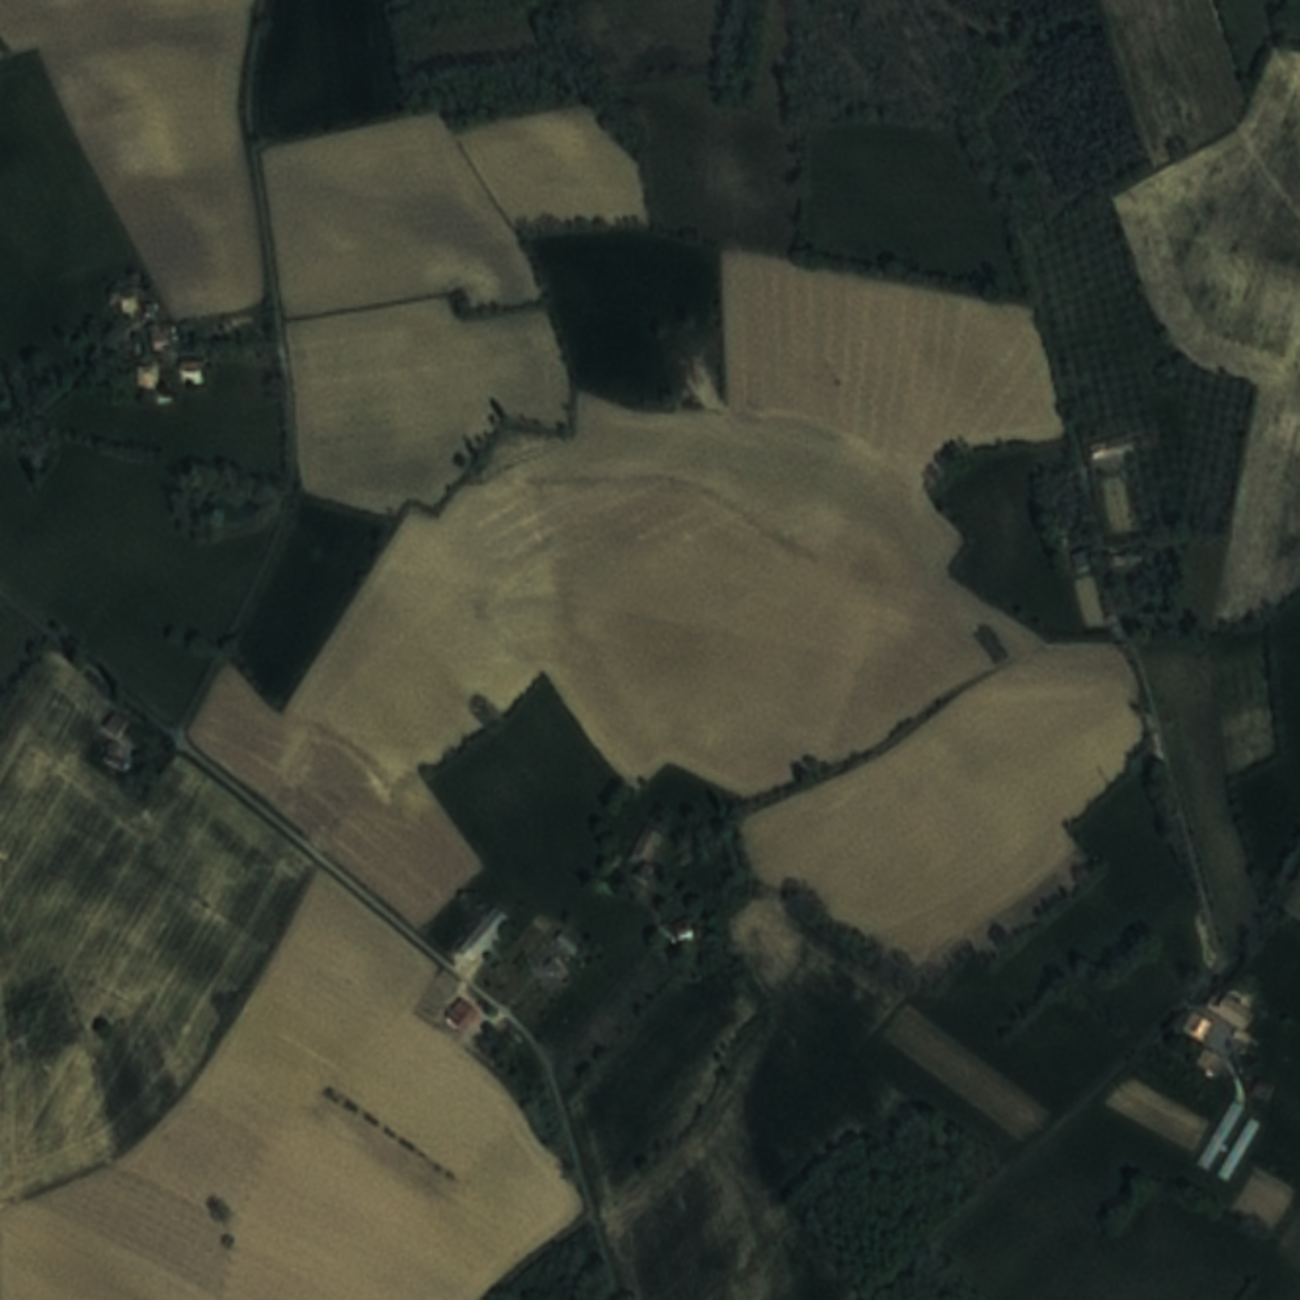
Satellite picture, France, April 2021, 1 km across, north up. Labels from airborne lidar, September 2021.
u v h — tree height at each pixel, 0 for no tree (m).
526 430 11
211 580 0
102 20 0
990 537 0
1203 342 0
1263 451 0
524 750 0
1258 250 0
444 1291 0
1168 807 16
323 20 0
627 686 0
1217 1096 0
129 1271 0
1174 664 0
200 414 0
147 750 6
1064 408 8
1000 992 0
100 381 18
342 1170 0
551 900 0
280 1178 0
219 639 0
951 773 0
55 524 0
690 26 0
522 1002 0
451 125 19
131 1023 0
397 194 0
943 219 0
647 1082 0
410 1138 0
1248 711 0
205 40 0
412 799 0
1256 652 0
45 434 14
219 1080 0
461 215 0
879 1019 0
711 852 13
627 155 11
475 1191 0
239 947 0
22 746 0
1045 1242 0
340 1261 0
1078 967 15
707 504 0
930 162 0
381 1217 0
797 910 18
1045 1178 0
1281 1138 0
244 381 0
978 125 21
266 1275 0
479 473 12
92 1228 0
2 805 0
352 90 0
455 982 0
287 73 0
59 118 0
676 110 0
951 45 24
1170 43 0
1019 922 0
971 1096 0
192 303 0
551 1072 0
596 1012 0
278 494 16
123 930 0
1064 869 0
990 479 0
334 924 0
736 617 0
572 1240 6
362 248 0
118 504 0
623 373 0
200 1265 0
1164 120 0
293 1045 0
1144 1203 16
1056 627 0
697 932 9
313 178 0
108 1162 0
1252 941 18
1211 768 0
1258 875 11
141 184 0
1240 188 0
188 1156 0
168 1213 0
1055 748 0
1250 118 0
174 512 17
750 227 0
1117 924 0
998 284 23
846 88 8
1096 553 11
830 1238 18
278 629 0
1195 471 12
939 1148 20
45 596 0
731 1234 0
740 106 16
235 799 0
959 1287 18
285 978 0
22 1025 0
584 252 0
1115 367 8
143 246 0
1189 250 0
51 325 0
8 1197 0
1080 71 14
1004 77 19
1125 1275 0
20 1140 0
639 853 0
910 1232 19
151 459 18
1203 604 0
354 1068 0
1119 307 7
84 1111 0
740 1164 0
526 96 24
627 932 0
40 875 0
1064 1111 0
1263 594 0
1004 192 20
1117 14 0
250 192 0
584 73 22
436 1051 0
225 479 22
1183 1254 0
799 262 15
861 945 15
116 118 0
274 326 13
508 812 0
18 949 0
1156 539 17
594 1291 11
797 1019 0
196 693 0
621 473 0
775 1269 0
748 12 20
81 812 0
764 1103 0
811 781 19
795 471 0
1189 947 0
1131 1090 0
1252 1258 0
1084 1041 0
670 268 0
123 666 0
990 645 0
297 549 0
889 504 0
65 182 0
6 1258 0
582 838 0
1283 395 0
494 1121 0
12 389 22
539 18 16
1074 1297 0
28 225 0
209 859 0
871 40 13
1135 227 0
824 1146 0
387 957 0
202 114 0
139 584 0
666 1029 0
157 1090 0
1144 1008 0
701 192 0
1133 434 10
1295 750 0
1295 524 0
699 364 0
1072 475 14
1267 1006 0
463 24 14
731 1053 10
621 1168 0
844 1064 0
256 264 0
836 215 0
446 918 0
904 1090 0
